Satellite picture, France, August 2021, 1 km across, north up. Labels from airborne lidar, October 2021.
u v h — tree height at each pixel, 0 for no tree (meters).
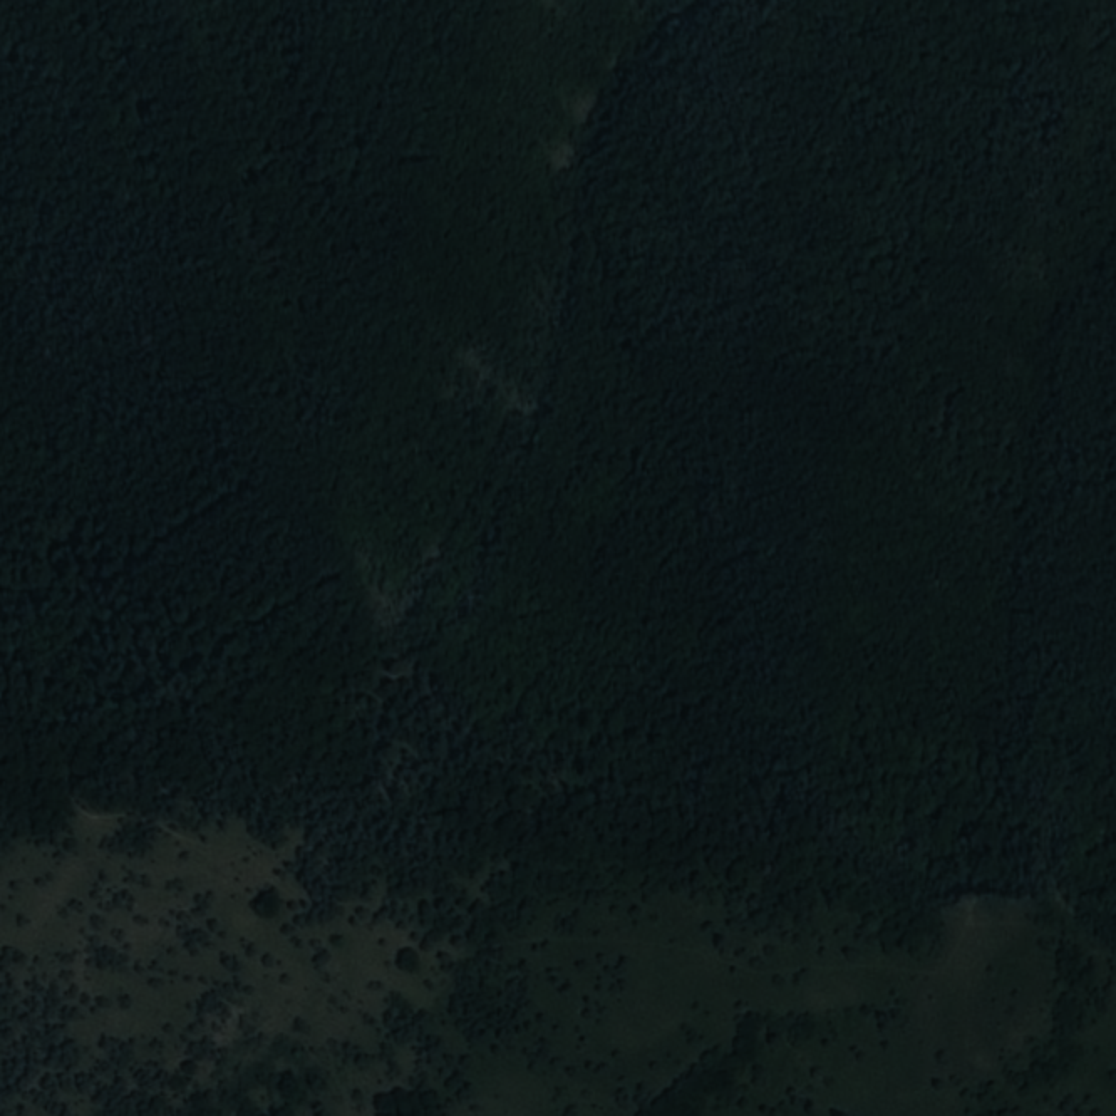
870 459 25
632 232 20
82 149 23
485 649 21
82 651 21
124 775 21
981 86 21
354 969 0
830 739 13
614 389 13
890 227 19
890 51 20
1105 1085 0
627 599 22
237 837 0
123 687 14
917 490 20
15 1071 12
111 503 24
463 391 13
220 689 14
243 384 13
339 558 14
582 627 20
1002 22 20
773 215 15
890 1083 0
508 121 17
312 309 21
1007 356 21
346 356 18
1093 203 19
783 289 17
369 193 24
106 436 21
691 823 13
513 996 8
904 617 18
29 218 23
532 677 23
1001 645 18
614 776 20
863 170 21
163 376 19
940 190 27
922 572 17
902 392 22
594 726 30
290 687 8
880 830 21
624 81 20
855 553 19
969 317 20
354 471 14
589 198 22
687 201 15
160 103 29
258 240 18
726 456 18
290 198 20
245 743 10
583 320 16
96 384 25
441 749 28
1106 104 15
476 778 21
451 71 21
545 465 15
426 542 9
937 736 25
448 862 8
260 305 19
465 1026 8
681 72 13
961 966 0
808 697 16
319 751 8
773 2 21
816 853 13
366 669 7
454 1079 9
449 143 20
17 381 19
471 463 14
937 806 21
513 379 12
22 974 0
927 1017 0
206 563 21
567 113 11
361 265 17
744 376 20
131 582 20
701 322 24
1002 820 21
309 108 30
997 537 21
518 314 12
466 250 23
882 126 18
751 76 15
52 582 14
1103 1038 0
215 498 21
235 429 22
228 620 22
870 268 15
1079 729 21
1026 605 20
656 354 21
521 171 16
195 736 10
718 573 16
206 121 20
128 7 22
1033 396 20
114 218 23
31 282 25
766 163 18
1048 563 22
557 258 14
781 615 14
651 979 0
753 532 16
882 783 21
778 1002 0
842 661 21
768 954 6
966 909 0
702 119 16
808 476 15
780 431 19
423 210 18
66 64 19
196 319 22
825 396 20
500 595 17
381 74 23
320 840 13
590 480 23
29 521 15
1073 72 19
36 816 16
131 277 21
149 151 27
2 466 22
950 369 22
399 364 16
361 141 19
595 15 13
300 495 15
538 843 10
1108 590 19
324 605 18
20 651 16
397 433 13
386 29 19
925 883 13
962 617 15
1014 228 19
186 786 14
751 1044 16
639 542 22
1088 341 20
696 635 20
